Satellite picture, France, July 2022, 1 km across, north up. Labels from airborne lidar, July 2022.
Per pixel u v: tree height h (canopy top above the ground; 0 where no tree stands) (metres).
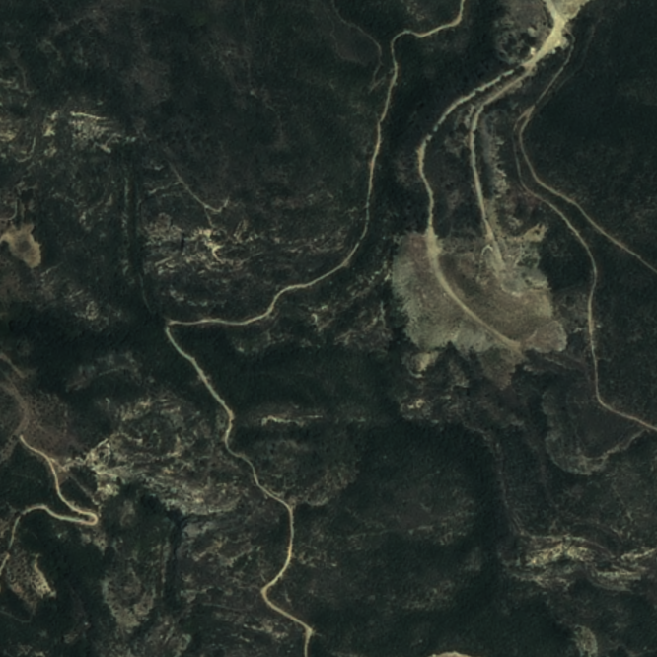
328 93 6
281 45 5
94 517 0
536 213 9
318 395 7
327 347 6
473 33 8
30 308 6
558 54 7
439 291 0
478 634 7
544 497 7
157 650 0
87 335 12
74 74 6
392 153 6
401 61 8
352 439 8
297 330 10
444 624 7
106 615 6
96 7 0
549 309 0
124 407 0
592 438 0
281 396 7
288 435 7
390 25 11
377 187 10
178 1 0
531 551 0
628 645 8
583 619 0
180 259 0
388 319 7
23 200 11
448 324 0
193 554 0
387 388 10
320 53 6
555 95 8
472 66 10
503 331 0
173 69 6
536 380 8
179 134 6
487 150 0
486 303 0
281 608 0
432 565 5
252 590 0
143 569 6
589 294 0
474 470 10
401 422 11
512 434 6
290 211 6
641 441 7
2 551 7
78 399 6
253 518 0
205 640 6
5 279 0
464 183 7
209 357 7
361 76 6
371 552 6
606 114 7
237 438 7
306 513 6
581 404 0
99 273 12
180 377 6
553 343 0
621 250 0
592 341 0
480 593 10
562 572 0
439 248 0
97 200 10
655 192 6
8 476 7
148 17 6
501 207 0
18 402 0
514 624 7
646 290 6
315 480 6
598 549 0
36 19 13
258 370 7
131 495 10
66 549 6
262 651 0
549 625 8
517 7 0
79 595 11
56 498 6
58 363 8
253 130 7
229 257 6
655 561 0
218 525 0
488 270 0
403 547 7
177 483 0
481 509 8
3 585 6
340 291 7
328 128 7
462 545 7
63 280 6
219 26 0
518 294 0
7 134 0
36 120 0
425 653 6
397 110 11
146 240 8
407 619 7
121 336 9
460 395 8
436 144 8
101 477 0
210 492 0
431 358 0
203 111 6
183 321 6
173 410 0
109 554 8
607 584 0
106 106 6
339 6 9
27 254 0
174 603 10
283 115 6
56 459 0
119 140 8
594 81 6
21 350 6
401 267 0
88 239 6
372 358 13
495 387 0
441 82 7
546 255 5
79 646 7
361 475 7
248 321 0
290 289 0
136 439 5
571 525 6
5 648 9
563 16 0
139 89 6
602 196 5
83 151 9
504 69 8
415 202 9
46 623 10
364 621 6
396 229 13
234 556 0
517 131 0
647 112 5
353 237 8
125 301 7
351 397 7
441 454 9
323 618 5
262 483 10
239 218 0
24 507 10
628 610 6
